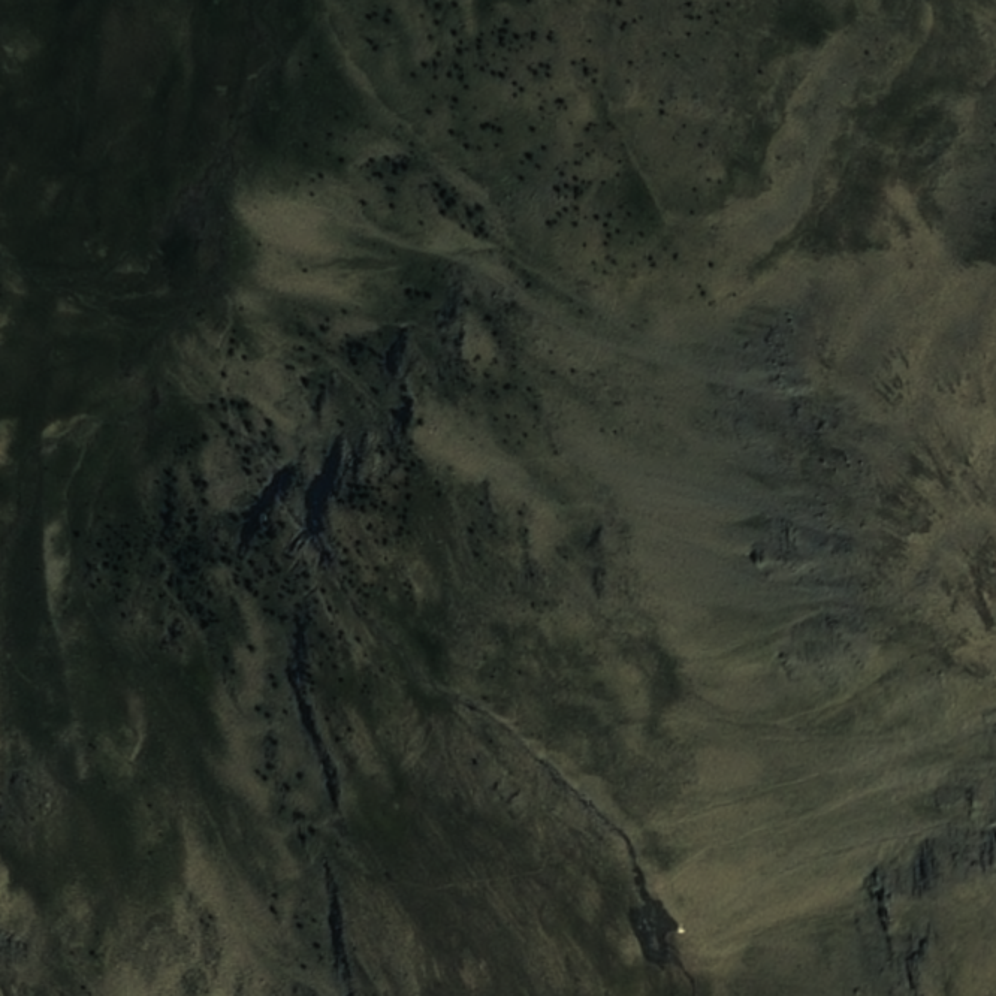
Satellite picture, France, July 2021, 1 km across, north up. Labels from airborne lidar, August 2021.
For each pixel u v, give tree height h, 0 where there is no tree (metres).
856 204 0
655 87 0
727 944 0
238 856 0
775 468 0
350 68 0
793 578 0
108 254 0
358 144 0
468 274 0
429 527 0
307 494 0
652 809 0
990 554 0
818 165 0
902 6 0
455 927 0
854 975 0
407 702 0
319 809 0
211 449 0
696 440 0
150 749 0
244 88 0
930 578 0
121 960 0
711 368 0
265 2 0
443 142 0
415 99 0
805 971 0
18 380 0
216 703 0
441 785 0
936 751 0
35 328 0
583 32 0
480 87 0
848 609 0
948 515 0
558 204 0
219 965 0
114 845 0
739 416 0
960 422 0
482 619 0
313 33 0
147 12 0
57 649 0
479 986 0
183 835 0
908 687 0
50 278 0
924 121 0
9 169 0
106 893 0
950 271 0
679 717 0
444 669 0
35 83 0
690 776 0
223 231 0
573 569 0
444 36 0
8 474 0
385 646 0
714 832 0
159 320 0
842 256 0
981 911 0
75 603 0
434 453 0
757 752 0
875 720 0
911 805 0
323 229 0
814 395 0
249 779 0
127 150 0
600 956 0
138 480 0
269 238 0
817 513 0
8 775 0
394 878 0
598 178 0
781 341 0
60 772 0
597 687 0
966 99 0
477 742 0
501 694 0
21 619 0
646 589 0
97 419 0
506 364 0
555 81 0
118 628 0
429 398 0
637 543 0
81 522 0
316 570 0
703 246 0
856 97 0
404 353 0
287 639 0
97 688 0
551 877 0
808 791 0
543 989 0
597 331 0
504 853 0
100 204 0
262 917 0
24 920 0
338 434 0
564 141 0
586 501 0
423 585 0
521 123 0
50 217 0
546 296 0
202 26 0
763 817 0
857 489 0
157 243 0
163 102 0
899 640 0
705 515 0
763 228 0
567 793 0
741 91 0
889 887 0
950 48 0
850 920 0
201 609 8
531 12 0
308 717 0
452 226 0
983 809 0
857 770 0
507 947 0
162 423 0
